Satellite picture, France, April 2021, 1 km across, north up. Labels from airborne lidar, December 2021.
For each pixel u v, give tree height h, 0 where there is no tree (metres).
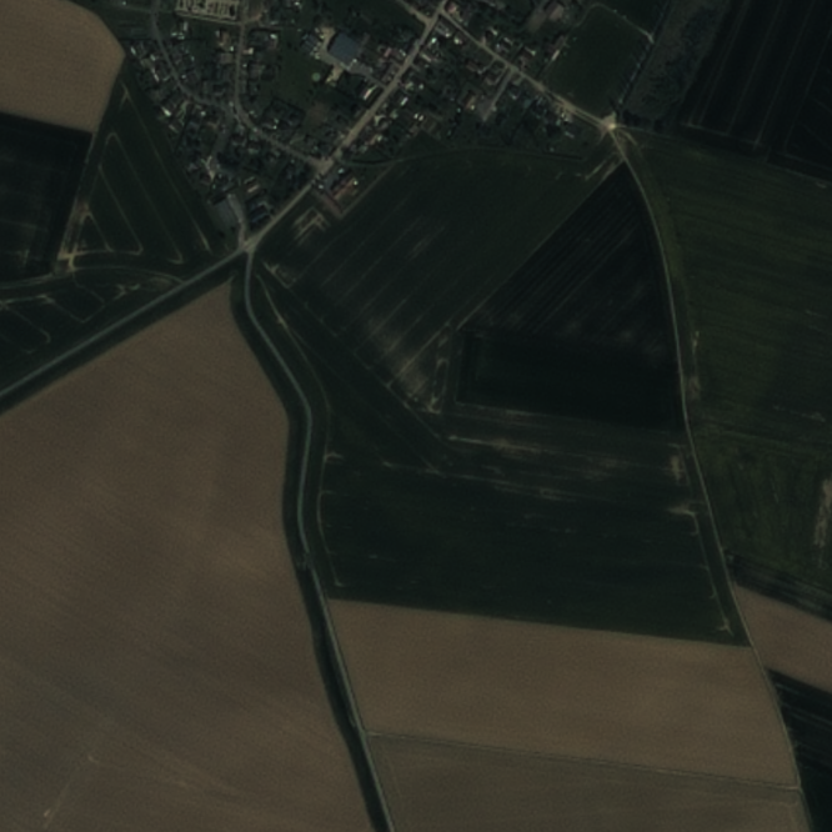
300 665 0
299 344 0
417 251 0
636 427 0
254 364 0
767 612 0
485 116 0
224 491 0
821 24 0
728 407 0
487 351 0
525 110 0
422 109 7
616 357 0
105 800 0
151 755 0
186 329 0
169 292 0
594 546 0
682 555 0
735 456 0
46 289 0
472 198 0
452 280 0
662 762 0
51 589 0
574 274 0
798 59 0
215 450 0
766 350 0
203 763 0
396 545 0
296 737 0
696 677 0
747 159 0
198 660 0
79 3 0
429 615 0
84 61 0
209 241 0
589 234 0
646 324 0
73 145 0
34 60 0
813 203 0
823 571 0
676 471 0
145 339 0
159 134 0
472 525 0
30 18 0
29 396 0
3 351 0
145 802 0
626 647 0
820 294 0
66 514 0
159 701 0
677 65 8
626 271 0
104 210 0
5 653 0
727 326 0
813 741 0
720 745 0
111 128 0
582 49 0
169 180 0
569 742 0
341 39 0
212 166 0
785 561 0
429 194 0
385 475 0
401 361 0
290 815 0
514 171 0
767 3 0
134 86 0
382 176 0
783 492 0
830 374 0
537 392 0
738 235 0
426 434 0
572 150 0
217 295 0
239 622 0
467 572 0
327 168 0
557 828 0
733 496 0
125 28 0
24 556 0
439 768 0
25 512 0
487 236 0
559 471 0
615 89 0
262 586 0
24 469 0
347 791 0
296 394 0
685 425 0
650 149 0
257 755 0
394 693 0
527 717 0
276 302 0
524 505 0
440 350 0
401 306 0
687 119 0
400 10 0
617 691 0
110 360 0
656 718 0
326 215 0
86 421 0
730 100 0
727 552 0
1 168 0
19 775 0
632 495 0
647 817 0
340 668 0
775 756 0
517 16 9
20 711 0
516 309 0
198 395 0
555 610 0
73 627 0
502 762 0
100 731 0
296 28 0
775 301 0
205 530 0
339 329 0
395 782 0
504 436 0
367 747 0
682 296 0
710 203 0
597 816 0
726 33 0
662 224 0
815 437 0
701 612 0
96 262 0
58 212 0
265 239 0
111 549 0
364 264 0
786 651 0
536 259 0
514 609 0
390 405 0
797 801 0
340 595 0
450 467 0
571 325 0
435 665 0
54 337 0
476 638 0
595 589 0
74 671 0
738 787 0
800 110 0
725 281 0
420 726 0
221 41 0
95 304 0
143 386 0
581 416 0
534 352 0
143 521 0
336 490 0
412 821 0
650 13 0
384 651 0
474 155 0
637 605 0
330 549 0
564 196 0
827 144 0
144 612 0
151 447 0
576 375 0
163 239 0
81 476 0
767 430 0
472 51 0
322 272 0
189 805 0
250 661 0
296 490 0
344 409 0
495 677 0
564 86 0
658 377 0
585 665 0
